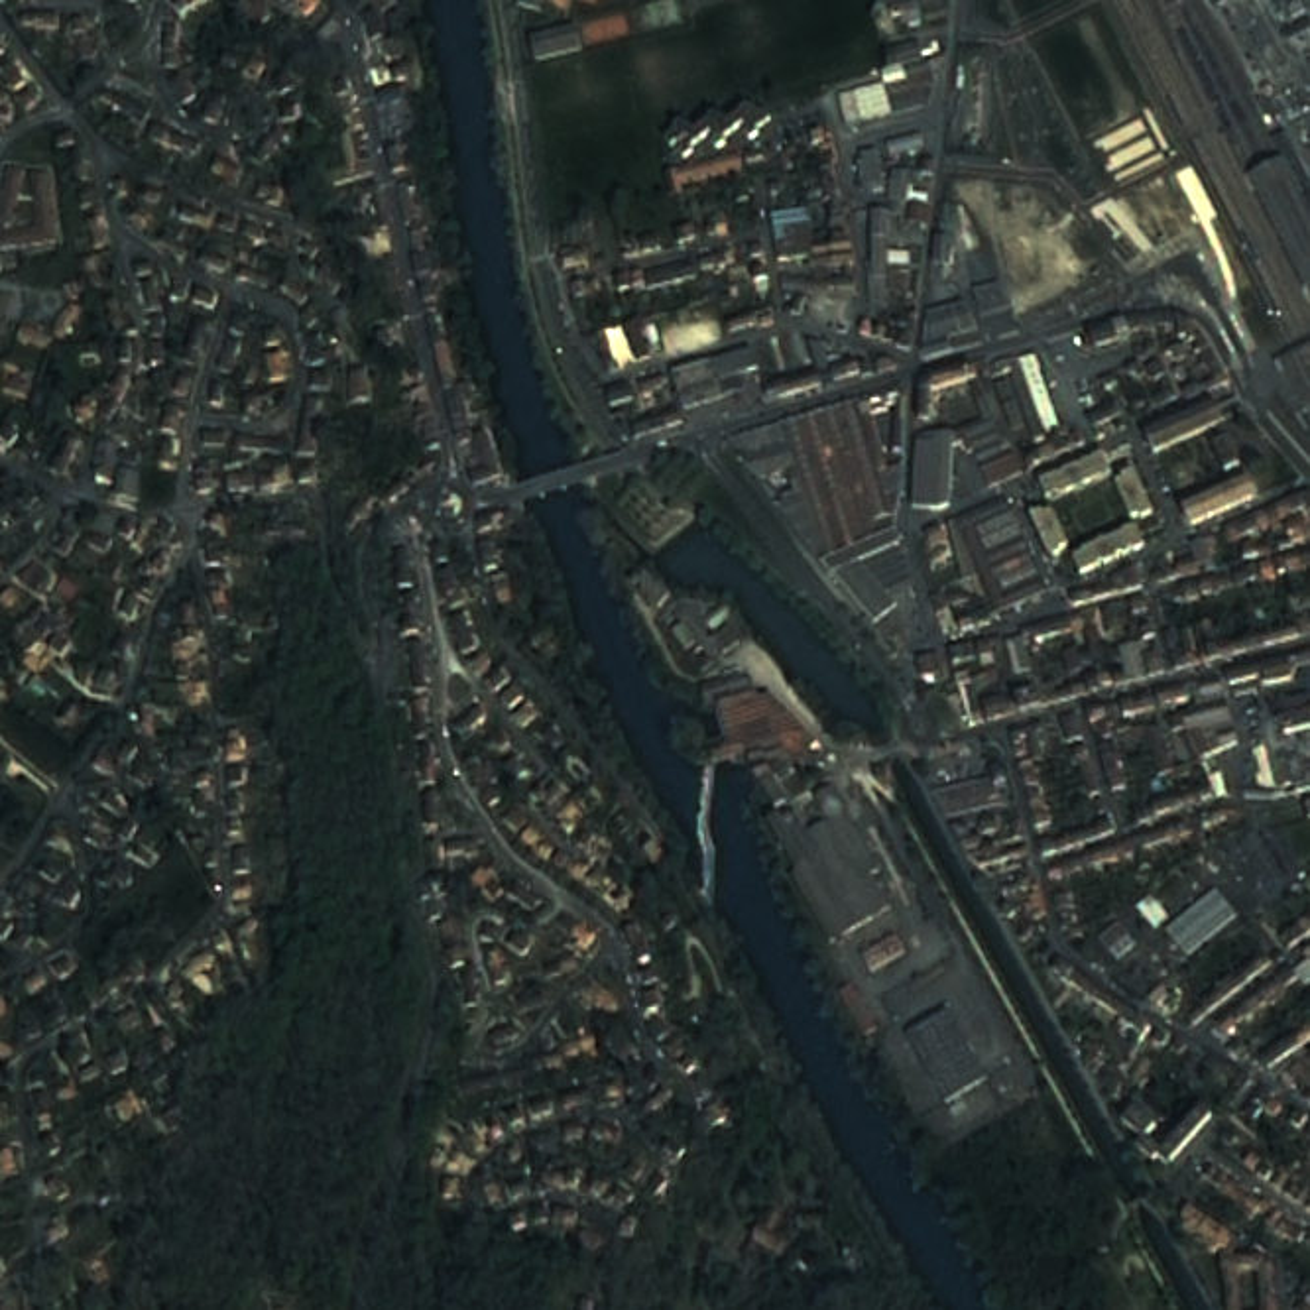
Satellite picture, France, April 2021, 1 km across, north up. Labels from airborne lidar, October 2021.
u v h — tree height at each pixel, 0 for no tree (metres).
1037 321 0
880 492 0
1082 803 11
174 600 7
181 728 9
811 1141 41
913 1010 0
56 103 0
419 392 0
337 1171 28
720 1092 9
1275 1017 8
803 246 0
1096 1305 14
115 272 6
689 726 20
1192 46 0
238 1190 23
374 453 14
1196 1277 9
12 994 9
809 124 6
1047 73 0
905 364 0
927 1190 30
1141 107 0
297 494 0
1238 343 0
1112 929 0
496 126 7
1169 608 12
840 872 0
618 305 6
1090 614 0
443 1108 19
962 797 0
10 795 10
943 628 0
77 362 0
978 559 0
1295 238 0
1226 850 0
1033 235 0
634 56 0
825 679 0
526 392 0
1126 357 0
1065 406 0
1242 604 7
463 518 0
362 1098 29
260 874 0
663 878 18
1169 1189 8
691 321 0
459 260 11
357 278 6
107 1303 21
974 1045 0
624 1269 19
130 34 11
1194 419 0
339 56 17
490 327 0
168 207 0
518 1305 21
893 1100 30
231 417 0
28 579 0
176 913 0
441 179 19
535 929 12
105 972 8
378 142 0
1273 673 0
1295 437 0
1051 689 0
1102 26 0
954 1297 0
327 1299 22
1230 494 0
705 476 8
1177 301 0
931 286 0
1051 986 0
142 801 11
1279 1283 0
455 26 0
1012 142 0
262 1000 27
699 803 0
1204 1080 15
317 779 23
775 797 0
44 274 6
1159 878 7
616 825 6
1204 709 0
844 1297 24
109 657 6
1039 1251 8
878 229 0
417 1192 26
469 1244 20
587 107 0
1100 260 0
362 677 23
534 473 0
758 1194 28
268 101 8
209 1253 26
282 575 20
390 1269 22
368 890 19
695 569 0
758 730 0
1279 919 0
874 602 0
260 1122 23
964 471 0
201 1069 23
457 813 12
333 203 19
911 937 0
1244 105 0
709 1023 11
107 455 0
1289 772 0
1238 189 0
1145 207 0
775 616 0
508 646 11
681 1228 24
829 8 0
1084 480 0
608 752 17
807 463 0
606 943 0
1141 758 8
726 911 0
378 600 6
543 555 16
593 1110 0
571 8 0
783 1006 0
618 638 0
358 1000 26
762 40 0
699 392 0
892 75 0
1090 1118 0
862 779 0
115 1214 8
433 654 0
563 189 0
